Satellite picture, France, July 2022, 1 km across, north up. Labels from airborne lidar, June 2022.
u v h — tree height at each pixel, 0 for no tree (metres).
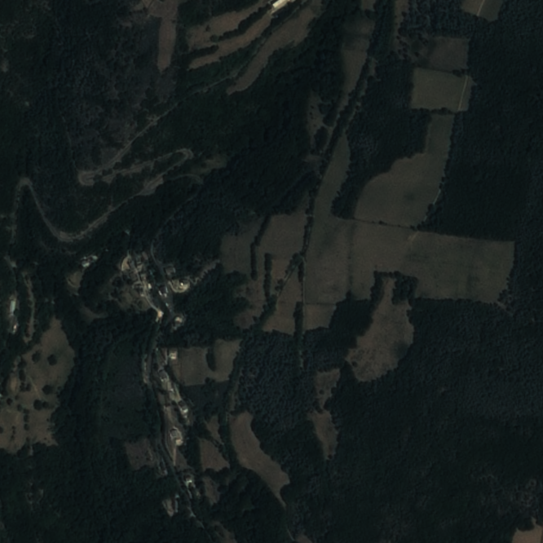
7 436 0
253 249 8
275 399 19
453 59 0
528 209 17
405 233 0
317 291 0
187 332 6
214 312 16
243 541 14
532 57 15
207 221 14
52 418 10
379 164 12
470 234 12
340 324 11
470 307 15
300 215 0
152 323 14
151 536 23
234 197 19
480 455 13
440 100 0
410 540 7
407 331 0
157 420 18
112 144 5
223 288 17
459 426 12
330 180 0
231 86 8
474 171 16
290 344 10
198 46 0
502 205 13
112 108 8
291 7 13
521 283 14
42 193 9
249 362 13
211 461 0
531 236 19
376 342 0
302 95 20
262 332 7
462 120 12
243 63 15
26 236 12
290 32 0
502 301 13
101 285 9
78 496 23
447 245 0
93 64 12
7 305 6
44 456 19
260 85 18
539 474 16
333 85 22
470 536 9
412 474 15
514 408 19
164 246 9
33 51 15
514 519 8
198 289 13
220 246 14
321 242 0
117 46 12
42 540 8
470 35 16
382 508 12
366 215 0
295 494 11
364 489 8
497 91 16
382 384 13
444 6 11
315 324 0
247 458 0
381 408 13
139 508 24
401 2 0
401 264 0
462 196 12
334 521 9
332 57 23
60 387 6
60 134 9
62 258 13
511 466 18
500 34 15
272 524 13
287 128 27
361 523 9
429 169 0
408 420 12
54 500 17
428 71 0
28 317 12
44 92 6
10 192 12
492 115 14
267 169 30
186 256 13
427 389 16
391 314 0
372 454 10
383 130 14
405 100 15
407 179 0
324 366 14
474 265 0
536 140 13
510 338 17
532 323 14
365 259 0
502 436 16
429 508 15
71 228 10
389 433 10
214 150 23
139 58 9
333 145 10
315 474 7
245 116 7
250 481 13
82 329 21
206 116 15
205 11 8
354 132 9
